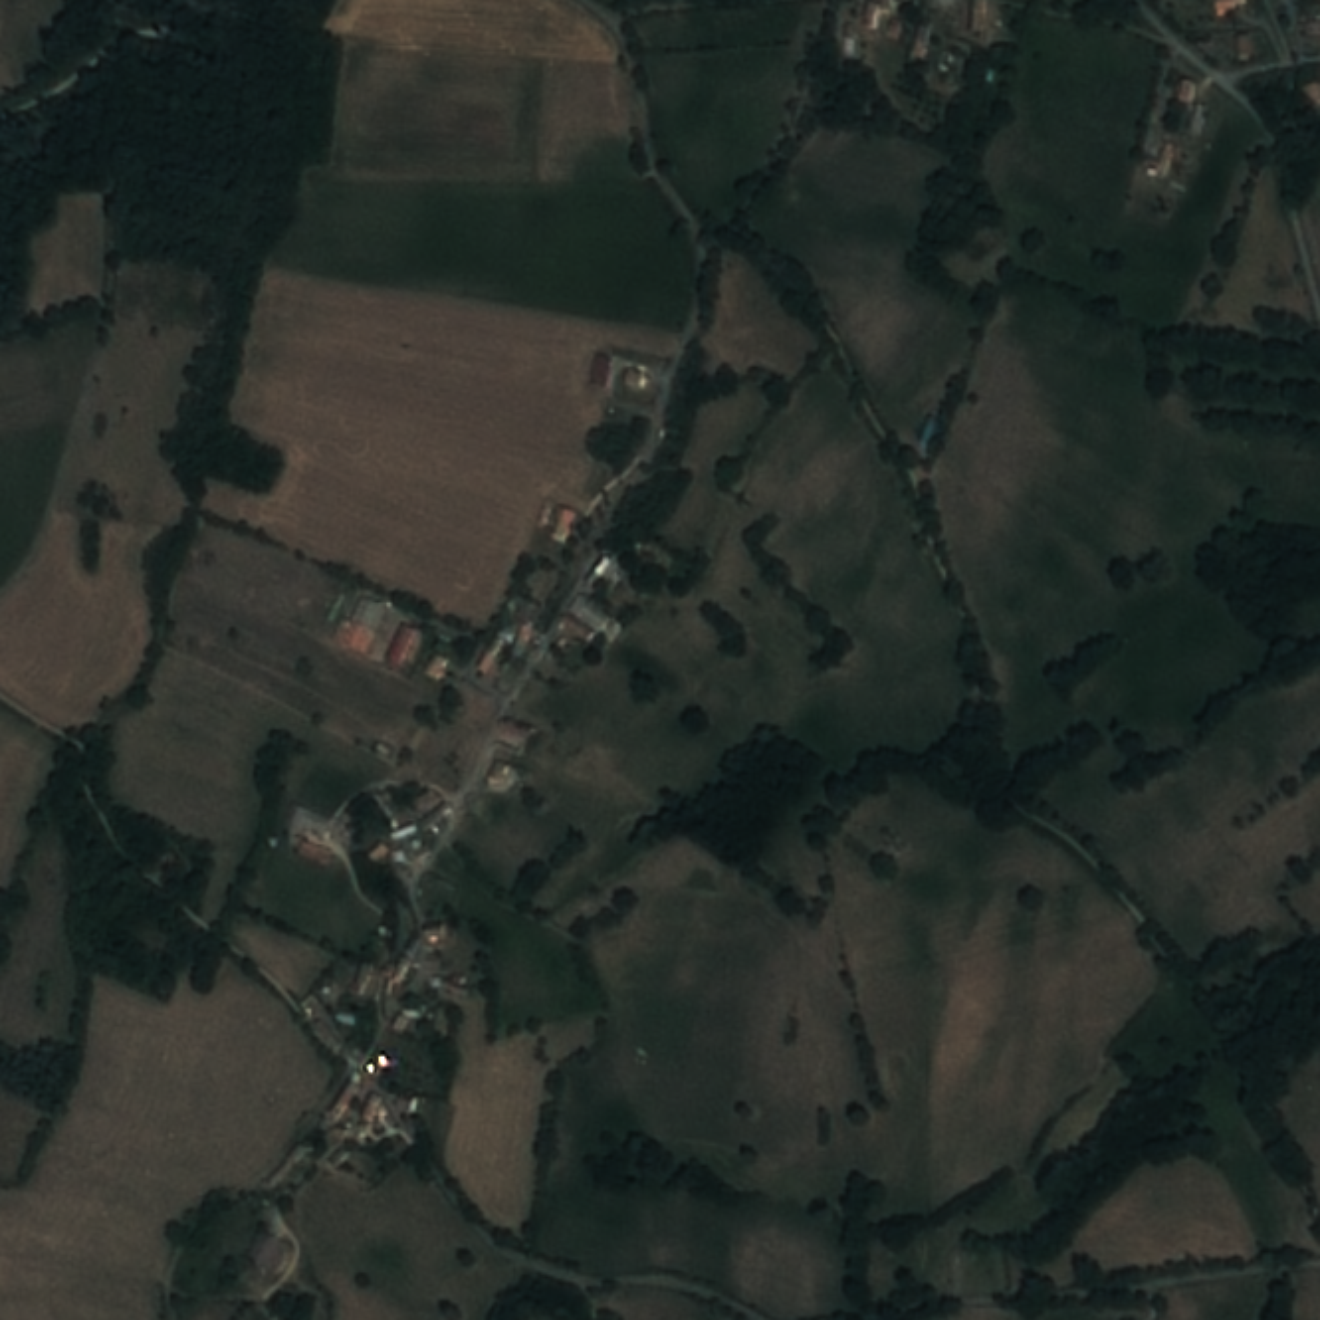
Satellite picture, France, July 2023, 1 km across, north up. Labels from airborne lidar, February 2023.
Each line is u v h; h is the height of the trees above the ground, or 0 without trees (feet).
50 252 0
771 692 0
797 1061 0
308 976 0
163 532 0
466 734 0
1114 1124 34
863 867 0
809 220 0
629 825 0
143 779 0
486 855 0
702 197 0
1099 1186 66
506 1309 33
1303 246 0
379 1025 22
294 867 0
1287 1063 83
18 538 0
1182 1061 0
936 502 35
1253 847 0
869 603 0
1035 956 0
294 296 0
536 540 0
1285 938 0
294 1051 0
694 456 0
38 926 0
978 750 86
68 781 47
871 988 0
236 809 0
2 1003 0
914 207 0
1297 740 0
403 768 22
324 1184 0
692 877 0
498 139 0
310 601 0
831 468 0
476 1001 0
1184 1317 0
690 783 0
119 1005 0
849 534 0
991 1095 0
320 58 54
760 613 0
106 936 20
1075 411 0
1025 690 0
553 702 0
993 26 0
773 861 0
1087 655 59
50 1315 0
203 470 37
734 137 0
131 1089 0
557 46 0
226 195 47
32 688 0
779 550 0
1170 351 50
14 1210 0
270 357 0
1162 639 0
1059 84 0
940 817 0
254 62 48
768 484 0
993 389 0
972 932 0
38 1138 33
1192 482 0
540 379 0
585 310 0
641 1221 0
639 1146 57
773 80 0
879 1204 31
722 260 34
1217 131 0
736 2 50
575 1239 0
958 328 0
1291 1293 59
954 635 0
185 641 0
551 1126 49
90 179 43
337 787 0
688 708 0
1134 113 0
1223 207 0
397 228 0
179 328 0
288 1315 44
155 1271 0
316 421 0
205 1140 0
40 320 50
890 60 0
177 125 44
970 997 0
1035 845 0
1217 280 52
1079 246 0
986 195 41
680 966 0
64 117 47
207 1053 0
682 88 0
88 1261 0
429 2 0
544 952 0
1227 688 0
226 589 0
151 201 36
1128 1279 50
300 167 40
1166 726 0
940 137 34
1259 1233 0
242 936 0
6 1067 50
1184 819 0
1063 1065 0
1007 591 0
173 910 35
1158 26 0
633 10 37
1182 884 0
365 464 0
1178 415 0
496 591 0
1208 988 25
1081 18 40
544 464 0
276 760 58
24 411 0
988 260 0
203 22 51
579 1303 29
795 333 0
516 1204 0
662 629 0
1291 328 72
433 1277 0
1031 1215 0
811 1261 0
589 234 0
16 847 0
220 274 30
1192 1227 0
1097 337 0
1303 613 0
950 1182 0
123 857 23
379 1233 0
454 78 0
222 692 0
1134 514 0
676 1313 0
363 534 0
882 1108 48
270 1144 0
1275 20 0
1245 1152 0
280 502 0
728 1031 0
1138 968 0
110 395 0
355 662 0
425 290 0
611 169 0
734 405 0
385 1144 25
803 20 0
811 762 62
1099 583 0
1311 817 0
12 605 0
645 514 28
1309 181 49
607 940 0
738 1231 0
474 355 0
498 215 0
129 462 0
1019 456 0
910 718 0
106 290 0
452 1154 0
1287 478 0
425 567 0
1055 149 0
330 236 0
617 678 0
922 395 0
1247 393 61
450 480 0
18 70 0
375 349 0
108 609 0
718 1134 0
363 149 0
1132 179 0
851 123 52
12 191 32
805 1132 0
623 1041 0
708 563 48
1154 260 0
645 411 0
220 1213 49
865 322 0
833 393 0
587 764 0
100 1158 0
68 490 0
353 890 0
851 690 0
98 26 50
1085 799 0
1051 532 0
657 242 0
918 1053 0
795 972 0
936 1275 0
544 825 0
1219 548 38
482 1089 0
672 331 0
